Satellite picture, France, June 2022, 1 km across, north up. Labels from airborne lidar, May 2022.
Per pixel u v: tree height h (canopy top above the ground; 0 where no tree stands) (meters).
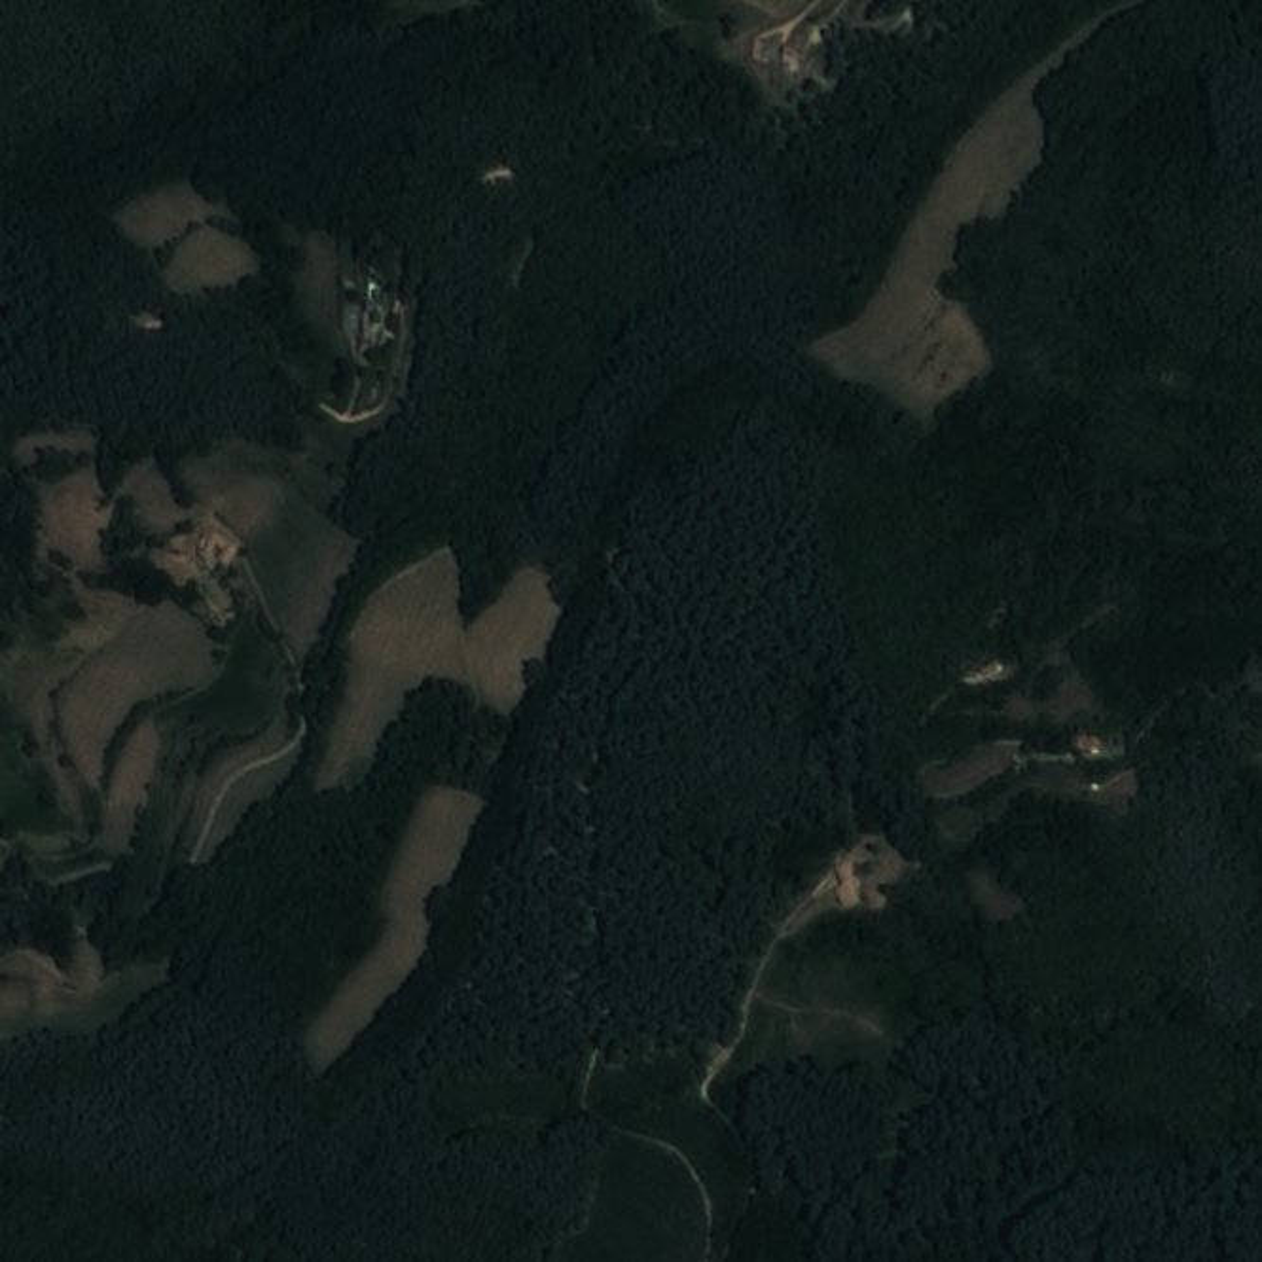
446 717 19
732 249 29
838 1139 28
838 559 11
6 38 12
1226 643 9
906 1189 35
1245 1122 6
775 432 15
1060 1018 14
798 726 10
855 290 18
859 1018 0
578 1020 29
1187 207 13
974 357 0
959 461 12
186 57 19
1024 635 16
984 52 17
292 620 0
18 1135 19
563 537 23
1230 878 18
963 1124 35
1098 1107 19
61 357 26
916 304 0
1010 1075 31
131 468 10
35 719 0
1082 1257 33
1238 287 10
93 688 0
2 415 27
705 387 25
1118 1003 23
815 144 15
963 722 14
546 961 33
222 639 14
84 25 16
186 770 6
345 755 0
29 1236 21
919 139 21
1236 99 35
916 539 10
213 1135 19
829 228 22
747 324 30
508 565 16
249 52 21
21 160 19
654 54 19
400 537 17
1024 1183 15
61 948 17
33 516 13
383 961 0
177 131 18
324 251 0
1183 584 8
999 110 0
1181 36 20
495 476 16
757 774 25
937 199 0
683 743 22
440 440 22
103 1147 18
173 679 0
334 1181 28
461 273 21
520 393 18
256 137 16
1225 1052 20
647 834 35
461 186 14
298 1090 10
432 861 0
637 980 29
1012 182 0
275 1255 15
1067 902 18
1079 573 14
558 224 16
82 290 21
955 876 10
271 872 16
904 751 22
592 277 16
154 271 19
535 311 19
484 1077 10
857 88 19
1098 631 11
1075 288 14
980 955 6
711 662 31
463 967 21
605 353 17
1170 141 6
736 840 27
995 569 13
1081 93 22
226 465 0
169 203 0
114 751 6
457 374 24
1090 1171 11
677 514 32
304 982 22
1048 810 16
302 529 0
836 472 16
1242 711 7
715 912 25
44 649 0
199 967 19
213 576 7
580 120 15
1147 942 15
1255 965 13
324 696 13
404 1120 35
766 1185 30
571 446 31
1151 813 12
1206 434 7
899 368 0
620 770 31
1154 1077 12
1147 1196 35
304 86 18
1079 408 10
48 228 16
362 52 17
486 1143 32
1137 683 7
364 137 18
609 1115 6
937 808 13
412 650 0
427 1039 25
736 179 30
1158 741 14
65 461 13
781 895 26
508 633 0
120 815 0
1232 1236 37
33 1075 15
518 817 22
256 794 0
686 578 36
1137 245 9
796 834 26
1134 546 17
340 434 0
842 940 15
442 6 0
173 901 18
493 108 21
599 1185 29
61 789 0
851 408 20
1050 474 17
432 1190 26
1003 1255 10
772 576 31
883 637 11
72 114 20
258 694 0
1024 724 6
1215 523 8
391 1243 33
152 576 12
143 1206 16
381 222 22
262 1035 21
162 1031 21
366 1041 15
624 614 27
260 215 19
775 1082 34
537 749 23
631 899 29
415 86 18
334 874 18
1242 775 13
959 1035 28
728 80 26
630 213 26
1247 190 19
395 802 20
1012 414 15
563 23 24
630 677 15
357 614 13
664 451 20
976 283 11
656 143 19
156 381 25
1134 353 13
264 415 22
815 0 0
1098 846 14
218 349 20
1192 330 17
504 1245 22
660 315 21
